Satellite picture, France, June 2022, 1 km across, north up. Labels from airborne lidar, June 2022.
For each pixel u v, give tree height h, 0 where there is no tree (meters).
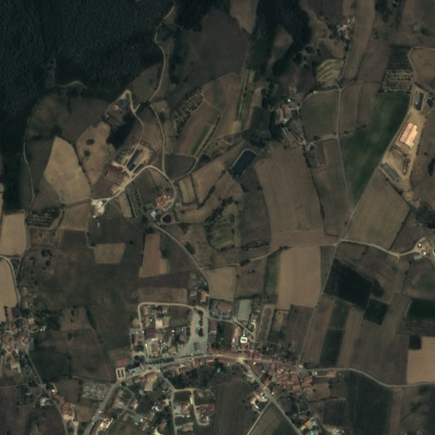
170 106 0
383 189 0
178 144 0
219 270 0
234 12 0
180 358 0
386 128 0
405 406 0
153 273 0
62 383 0
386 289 0
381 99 0
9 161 0
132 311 0
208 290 8
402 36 0
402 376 0
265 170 0
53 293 0
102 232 0
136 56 7
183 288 0
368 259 0
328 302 0
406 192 0
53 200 0
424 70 0
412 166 0
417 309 0
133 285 0
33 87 8
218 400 0
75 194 0
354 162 0
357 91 0
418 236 0
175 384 9
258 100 0
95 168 0
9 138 8
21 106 11
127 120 9
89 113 0
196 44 0
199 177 0
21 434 0
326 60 0
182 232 0
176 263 0
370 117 0
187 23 11
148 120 0
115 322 0
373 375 0
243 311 0
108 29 11
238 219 0
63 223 0
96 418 0
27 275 0
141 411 0
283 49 0
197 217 0
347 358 0
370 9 0
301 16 19
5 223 0
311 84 0
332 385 6
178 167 0
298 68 0
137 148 0
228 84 0
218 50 0
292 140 0
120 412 0
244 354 0
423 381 0
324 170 0
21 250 0
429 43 0
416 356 0
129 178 0
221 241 0
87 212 0
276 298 0
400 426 0
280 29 0
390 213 0
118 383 0
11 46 10
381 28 0
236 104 0
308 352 0
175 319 0
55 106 0
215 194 0
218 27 0
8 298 0
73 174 0
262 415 0
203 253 0
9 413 0
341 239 0
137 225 0
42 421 0
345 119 0
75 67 7
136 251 0
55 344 0
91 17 11
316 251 0
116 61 13
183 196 0
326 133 0
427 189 0
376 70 0
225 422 0
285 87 0
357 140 0
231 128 0
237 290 0
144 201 0
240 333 0
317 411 0
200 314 7
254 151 0
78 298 0
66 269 0
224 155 0
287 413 8
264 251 0
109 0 13
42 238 0
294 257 0
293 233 0
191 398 0
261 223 0
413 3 0
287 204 0
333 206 0
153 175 0
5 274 0
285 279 0
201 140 0
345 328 0
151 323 0
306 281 0
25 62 22
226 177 0
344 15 0
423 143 0
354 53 0
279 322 0
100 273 0
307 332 0
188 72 0
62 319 0
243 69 0
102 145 0
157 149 0
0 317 0
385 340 0
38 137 7
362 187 0
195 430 0
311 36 25
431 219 7
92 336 0
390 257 0
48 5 19
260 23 11
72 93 9
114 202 0
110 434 0
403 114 0
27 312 16
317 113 0
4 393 0
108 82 7
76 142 0
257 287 0
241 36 0
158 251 0
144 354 0
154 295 0
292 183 0
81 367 0
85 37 12
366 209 0
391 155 0
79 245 0
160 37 0
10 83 10
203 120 0
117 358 0
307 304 0
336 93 0
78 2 11
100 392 0
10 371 0
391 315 0
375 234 0
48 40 19
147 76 0
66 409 0
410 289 0
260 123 0
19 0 17
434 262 0
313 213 0
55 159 0
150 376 0
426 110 0
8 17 15
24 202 0
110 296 0
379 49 0
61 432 0
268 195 0
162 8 9
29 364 7
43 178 0
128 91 0
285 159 0
